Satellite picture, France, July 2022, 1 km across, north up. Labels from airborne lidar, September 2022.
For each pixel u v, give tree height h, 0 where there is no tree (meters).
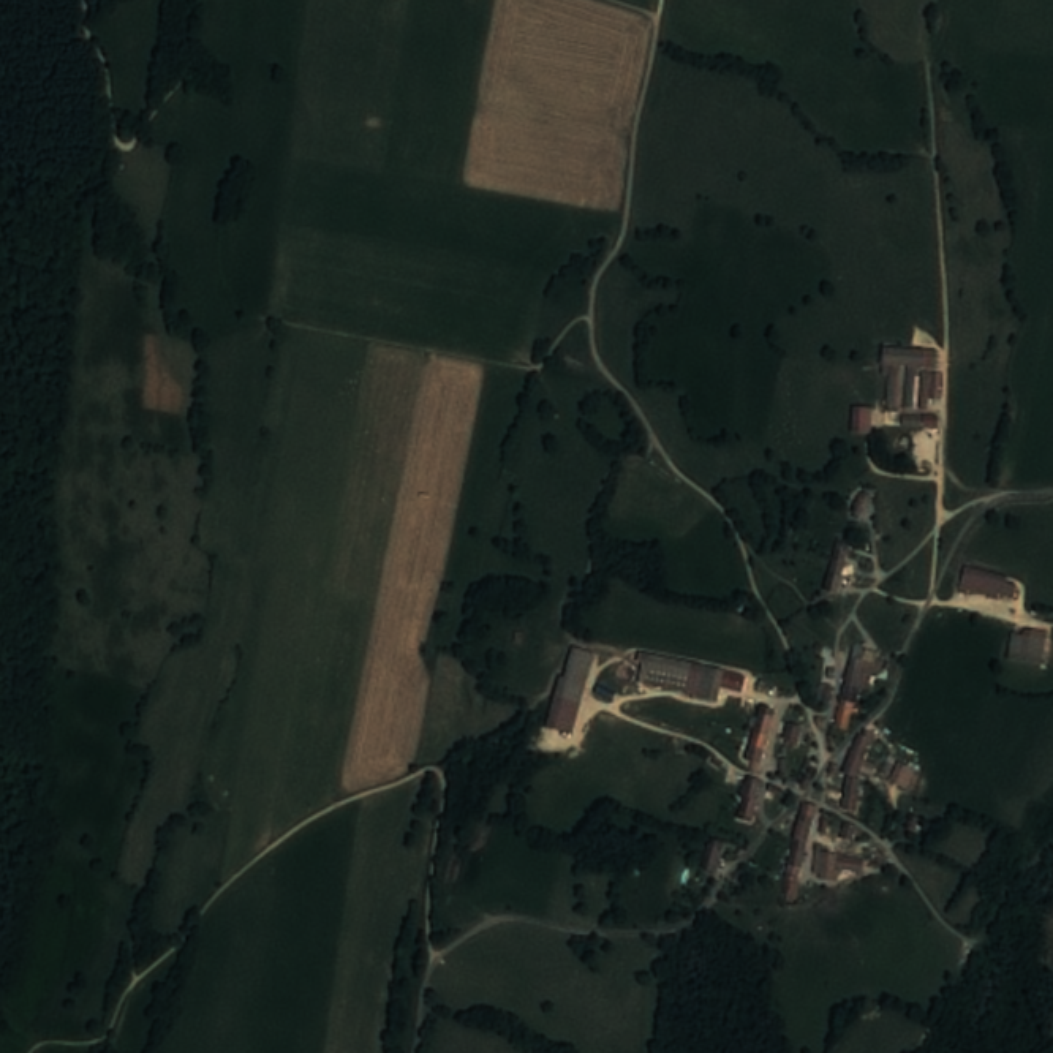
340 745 0
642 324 8
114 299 0
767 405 0
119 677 0
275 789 0
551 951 0
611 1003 0
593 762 0
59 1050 0
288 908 0
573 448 0
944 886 0
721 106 0
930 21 11
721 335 0
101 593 0
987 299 0
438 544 0
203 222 0
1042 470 0
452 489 0
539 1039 13
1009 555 0
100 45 13
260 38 0
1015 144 0
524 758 16
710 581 0
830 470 12
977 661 0
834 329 0
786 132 0
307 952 0
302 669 0
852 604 0
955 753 0
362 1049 0
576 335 0
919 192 0
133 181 0
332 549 0
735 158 0
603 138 0
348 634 0
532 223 0
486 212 0
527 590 18
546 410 12
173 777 0
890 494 0
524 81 0
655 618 0
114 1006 11
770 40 0
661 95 0
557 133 0
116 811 0
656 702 0
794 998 0
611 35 0
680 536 0
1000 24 0
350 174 0
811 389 0
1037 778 0
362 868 0
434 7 0
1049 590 0
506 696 11
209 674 0
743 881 16
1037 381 0
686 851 7
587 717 0
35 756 17
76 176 20
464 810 10
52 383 17
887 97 0
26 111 22
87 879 0
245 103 0
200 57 18
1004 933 19
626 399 12
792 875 0
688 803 11
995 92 0
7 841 14
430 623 0
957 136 0
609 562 13
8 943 29
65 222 21
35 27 23
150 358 0
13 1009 0
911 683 0
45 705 16
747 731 6
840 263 0
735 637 0
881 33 0
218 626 0
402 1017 13
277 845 0
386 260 0
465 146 0
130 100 0
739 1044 16
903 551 0
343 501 0
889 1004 15
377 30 0
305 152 0
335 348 0
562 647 0
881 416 0
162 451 7
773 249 0
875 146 0
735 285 0
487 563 0
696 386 0
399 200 0
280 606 0
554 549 0
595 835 21
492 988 0
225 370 0
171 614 0
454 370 0
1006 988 24
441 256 0
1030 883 20
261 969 0
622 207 0
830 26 0
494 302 0
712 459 0
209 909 0
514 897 0
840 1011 14
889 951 0
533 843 13
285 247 0
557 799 0
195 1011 0
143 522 0
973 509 0
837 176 0
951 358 0
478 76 0
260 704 0
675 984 15
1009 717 0
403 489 0
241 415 0
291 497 0
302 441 0
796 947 0
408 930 12
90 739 0
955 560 0
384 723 0
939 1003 16
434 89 0
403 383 0
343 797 0
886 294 0
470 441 0
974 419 0
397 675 0
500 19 0
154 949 8
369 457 0
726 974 12
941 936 0
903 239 0
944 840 17
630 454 10
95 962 0
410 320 0
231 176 15
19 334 18
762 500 11
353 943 0
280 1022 0
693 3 0
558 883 0
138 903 9
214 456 11
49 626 19
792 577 0
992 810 0
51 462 22
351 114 0
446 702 0
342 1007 0
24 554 7
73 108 19
